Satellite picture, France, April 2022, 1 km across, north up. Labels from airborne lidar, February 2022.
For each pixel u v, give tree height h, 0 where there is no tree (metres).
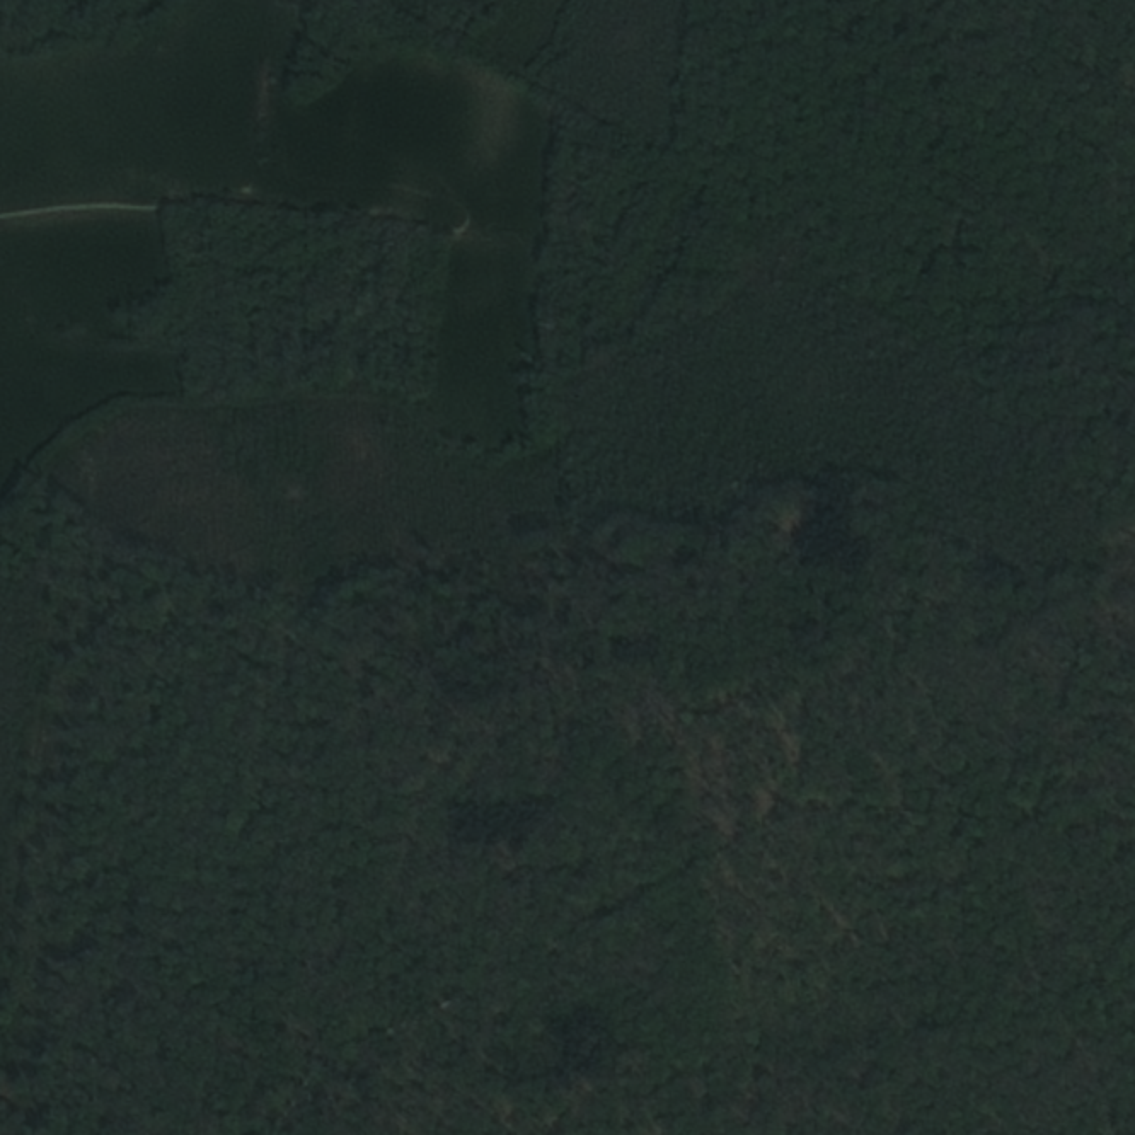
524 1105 27
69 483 0
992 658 31
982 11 28
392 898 29
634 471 15
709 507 19
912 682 34
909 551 31
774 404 16
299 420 8
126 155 0
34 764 28
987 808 29
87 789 31
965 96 30
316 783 31
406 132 0
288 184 0
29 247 0
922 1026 26
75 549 30
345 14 33
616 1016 28
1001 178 29
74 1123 29
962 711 32
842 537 29
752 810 29
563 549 29
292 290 19
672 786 28
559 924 27
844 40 18
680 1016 28
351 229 20
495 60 7
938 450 16
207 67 0
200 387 22
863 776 28
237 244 22
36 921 30
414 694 32
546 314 27
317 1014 29
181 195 0
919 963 28
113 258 0
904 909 26
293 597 8
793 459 15
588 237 25
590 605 31
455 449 24
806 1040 23
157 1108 29
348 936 26
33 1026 27
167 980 30
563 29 16
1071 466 29
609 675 29
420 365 22
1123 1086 29
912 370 16
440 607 30
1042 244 28
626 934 28
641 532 32
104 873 31
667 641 27
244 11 0
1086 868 25
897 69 28
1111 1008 26
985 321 27
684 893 28
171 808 30
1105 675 34
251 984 30
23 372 0
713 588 30
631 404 17
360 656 33
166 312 25
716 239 27
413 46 31
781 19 31
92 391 0
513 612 25
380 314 31
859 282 27
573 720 26
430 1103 29
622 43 16
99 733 31
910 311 20
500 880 28
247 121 0
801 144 25
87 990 34
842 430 12
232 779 31
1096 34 30
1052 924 28
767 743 33
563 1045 16
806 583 33
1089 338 34
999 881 29
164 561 32
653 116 16
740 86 30
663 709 25
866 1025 23
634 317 22
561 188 22
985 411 22
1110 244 33
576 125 26
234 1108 30
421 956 28
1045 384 33
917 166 29
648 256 29
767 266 13
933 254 25
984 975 28
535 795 27
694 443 17
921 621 29
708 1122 25
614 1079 26
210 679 31
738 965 31
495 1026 29
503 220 0
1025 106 26
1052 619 28
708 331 19
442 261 23
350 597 32
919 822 27
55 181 0
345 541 0
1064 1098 30
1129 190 29
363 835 28
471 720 29
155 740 27
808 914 29
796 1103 28
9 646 13
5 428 0
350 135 0
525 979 28
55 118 0
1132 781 30
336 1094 26
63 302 0
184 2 11
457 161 0
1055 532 14
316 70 26
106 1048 32
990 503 20
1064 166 25
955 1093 27
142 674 31
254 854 32
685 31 16
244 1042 29
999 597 32
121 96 0
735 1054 28
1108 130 27
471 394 0
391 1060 29
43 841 0
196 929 33
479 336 0
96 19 23
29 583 10
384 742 30
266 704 33
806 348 15
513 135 0
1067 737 27
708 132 29
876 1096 26
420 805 29
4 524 29
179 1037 31
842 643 31
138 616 31
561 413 23
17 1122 28
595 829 29
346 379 18
